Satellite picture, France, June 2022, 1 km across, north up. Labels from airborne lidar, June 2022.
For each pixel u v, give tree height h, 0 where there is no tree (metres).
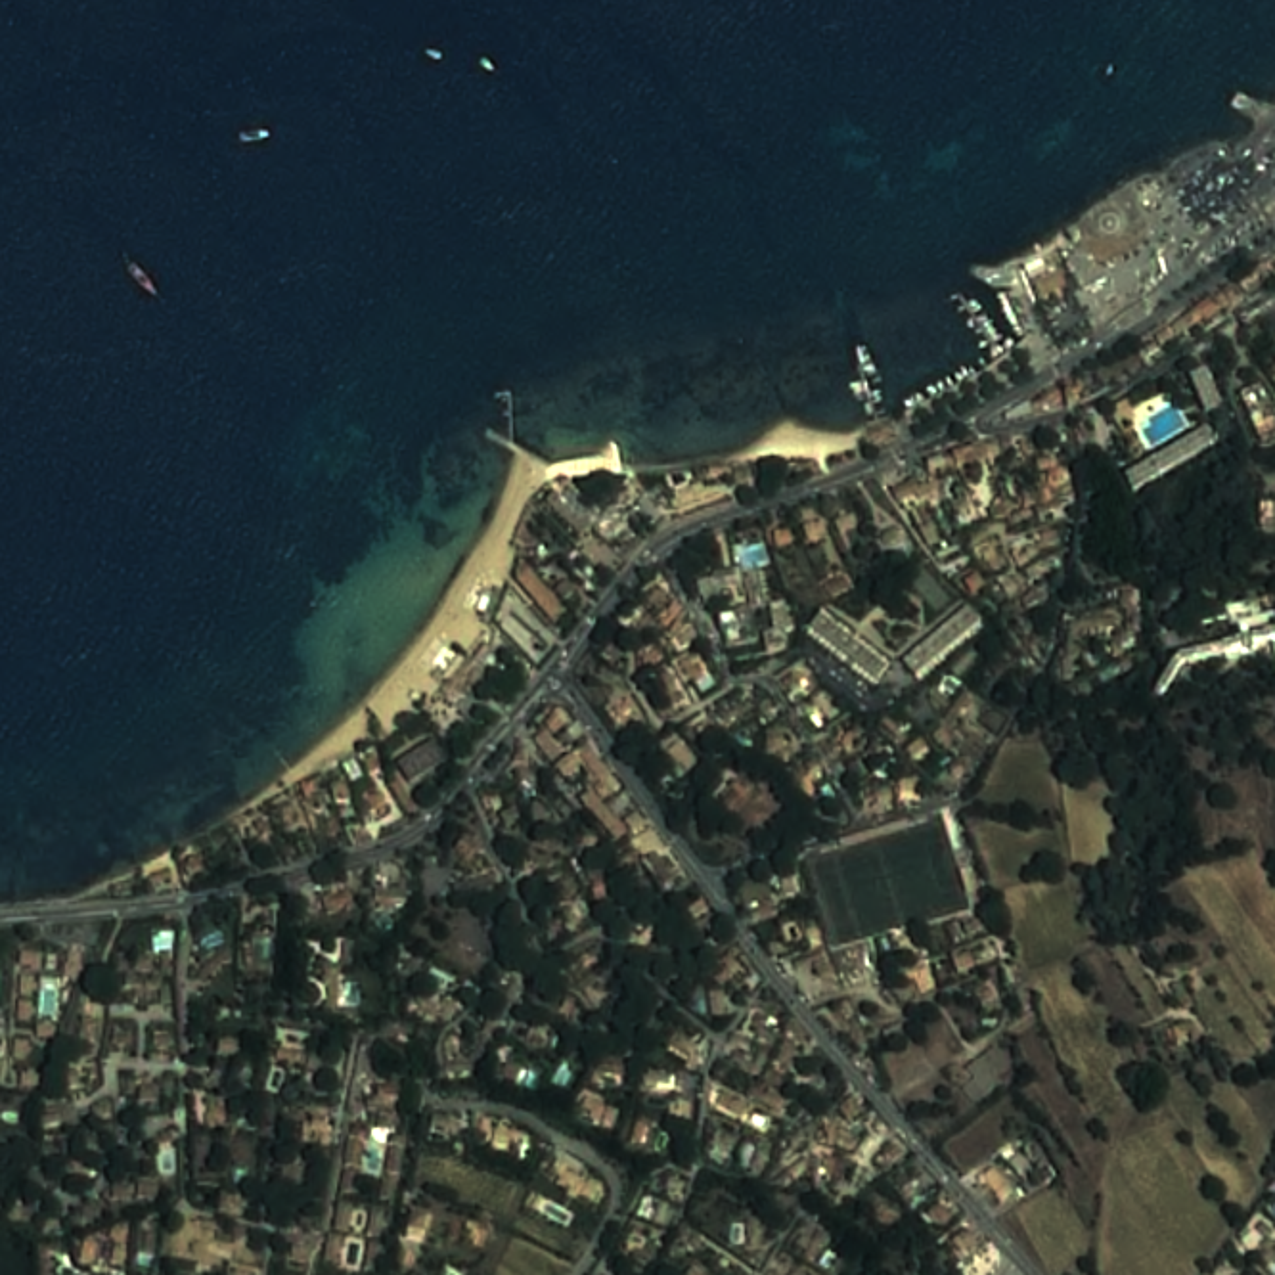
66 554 0
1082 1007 0
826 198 0
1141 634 6
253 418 0
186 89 0
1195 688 14
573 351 0
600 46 0
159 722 0
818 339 0
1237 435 12
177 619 0
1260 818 0
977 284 0
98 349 0
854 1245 18
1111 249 0
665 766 15
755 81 0
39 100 0
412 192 0
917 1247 13
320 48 0
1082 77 0
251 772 0
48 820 0
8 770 0
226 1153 13
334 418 0
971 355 0
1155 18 0
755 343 0
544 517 10
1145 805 19
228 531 0
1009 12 0
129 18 0
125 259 0
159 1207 11
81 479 0
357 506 0
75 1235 7
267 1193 13
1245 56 0
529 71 0
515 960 21
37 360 0
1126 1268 0
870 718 7
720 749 14
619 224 0
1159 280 0
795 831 14
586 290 0
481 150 0
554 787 14
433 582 0
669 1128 16
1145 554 15
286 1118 13
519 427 0
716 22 0
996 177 0
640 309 0
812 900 6
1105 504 18
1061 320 0
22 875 0
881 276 0
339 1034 9
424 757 0
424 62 0
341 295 0
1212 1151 0
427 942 12
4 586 0
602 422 0
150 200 0
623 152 0
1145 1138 0
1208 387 0
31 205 0
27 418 0
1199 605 17
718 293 0
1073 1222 0
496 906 14
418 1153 12
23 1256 14
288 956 8
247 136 0
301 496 0
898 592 13
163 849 0
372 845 0
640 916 19
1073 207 0
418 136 0
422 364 0
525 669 14
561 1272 0
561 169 0
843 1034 7
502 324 0
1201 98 0
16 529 0
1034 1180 6
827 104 0
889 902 0
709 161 0
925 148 0
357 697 0
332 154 0
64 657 0
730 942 17
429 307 0
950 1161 6
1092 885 16
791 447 0
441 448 0
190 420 0
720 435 0
